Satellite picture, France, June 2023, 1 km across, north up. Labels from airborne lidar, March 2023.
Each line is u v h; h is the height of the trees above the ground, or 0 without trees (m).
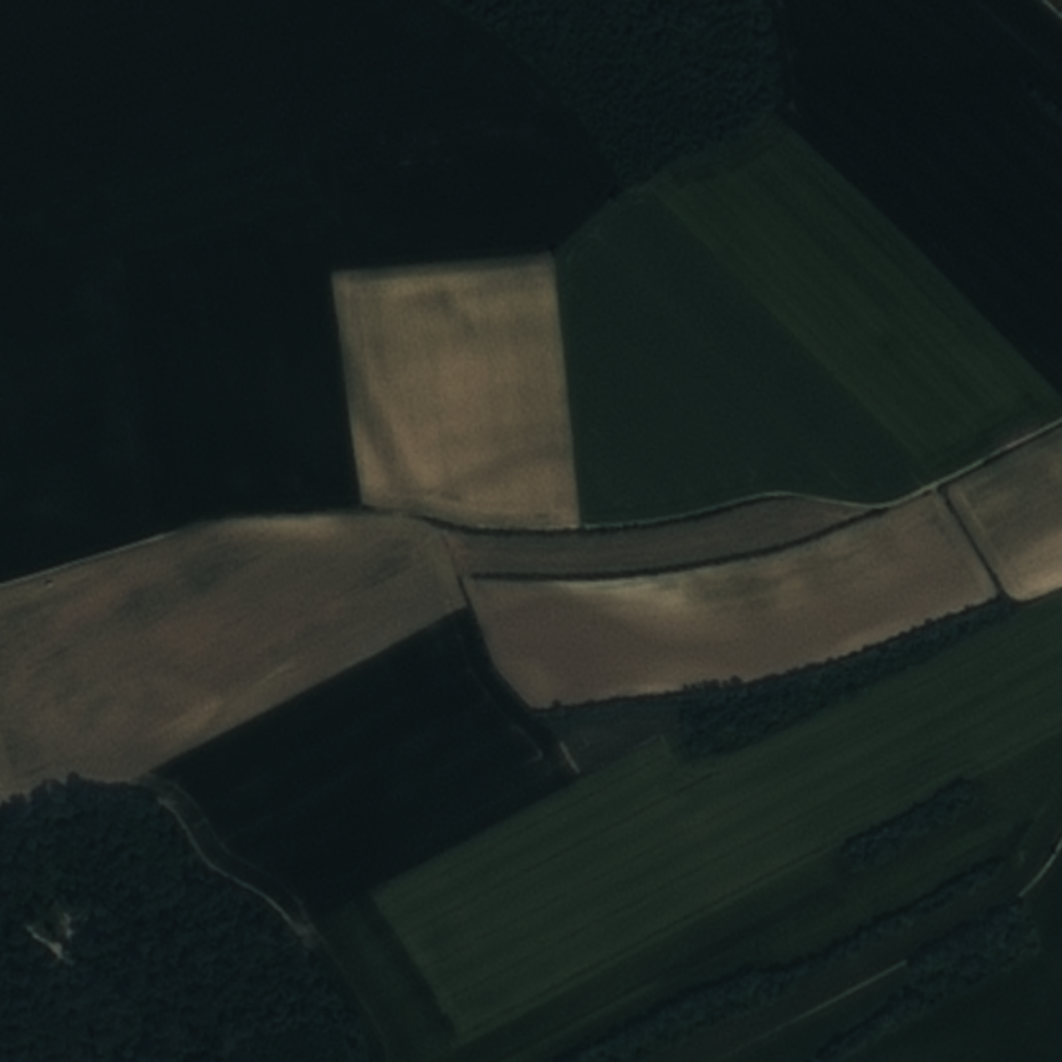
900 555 0
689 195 0
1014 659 0
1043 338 0
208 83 0
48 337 0
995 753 0
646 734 0
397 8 0
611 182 0
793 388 0
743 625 0
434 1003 0
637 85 8
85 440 0
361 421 0
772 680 7
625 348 0
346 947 0
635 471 0
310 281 0
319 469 0
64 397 0
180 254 0
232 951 17
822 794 0
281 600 0
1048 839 0
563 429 0
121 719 0
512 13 11
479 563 0
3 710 0
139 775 0
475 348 0
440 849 0
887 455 0
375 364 0
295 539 0
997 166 0
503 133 0
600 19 13
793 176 0
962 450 0
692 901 0
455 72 0
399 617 0
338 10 0
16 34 0
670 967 0
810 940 0
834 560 0
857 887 0
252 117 0
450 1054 0
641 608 0
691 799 0
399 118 0
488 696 0
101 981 27
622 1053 13
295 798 0
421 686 0
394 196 0
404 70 0
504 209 0
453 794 0
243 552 0
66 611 0
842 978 0
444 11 0
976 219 0
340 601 0
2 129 0
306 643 0
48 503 0
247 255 0
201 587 0
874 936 10
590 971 0
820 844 0
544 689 0
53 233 0
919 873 0
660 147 11
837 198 0
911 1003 13
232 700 0
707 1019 12
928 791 0
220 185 0
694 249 0
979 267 0
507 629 0
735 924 0
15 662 0
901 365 0
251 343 0
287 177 0
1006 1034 0
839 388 0
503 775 0
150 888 33
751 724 10
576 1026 0
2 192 0
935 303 0
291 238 0
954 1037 0
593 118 11
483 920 0
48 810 20
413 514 0
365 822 0
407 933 0
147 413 0
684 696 6
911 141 0
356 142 0
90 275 0
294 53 0
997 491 0
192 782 0
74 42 0
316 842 0
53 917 0
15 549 0
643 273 0
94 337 0
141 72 0
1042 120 0
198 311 0
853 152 0
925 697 0
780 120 0
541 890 0
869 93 0
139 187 0
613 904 0
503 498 0
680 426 0
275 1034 21
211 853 0
